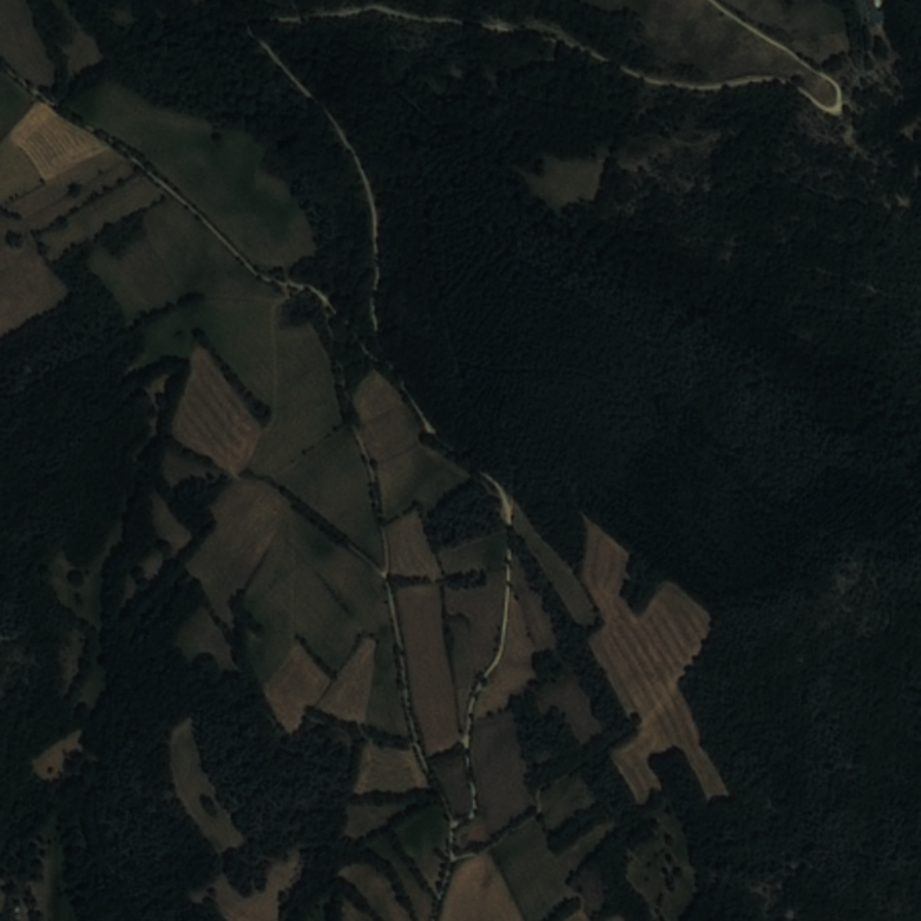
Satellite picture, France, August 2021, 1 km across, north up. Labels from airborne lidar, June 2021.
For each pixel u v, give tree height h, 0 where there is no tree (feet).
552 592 37
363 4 58
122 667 82
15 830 31
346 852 60
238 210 0
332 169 49
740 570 52
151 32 65
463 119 98
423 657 0
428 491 0
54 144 0
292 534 0
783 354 41
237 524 0
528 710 45
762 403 52
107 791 66
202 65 40
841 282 25
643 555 59
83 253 39
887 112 37
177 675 59
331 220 45
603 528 31
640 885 0
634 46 29
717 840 39
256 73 50
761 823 20
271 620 0
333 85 52
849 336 26
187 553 35
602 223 39
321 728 31
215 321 0
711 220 43
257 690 35
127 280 0
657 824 49
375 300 46
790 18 0
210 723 66
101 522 71
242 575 0
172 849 35
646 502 46
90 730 60
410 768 0
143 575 23
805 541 54
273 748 35
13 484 42
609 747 22
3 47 0
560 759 32
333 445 0
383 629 0
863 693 33
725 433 60
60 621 46
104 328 26
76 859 79
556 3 38
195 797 0
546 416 32
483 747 0
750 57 0
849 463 49
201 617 0
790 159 23
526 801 0
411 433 0
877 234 39
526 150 60
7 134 0
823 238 43
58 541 57
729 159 46
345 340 22
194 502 56
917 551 52
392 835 41
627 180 35
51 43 36
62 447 37
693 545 43
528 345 49
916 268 28
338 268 42
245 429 0
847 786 20
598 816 44
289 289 17
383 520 26
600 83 31
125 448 63
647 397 27
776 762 35
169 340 0
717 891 47
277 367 0
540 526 24
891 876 32
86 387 44
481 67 21
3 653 49
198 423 0
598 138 61
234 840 0
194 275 0
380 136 27
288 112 50
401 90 19
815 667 37
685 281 82
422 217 53
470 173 97
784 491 55
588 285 53
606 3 0
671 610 0
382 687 0
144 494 71
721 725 35
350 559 0
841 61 32
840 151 20
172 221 0
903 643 39
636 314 51
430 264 77
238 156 0
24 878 44
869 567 30
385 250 41
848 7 44
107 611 65
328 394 0
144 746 52
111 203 0
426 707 0
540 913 0
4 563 47
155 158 0
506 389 55
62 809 71
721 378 65
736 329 45
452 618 22
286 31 31
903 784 52
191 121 0
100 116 0
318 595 0
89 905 81
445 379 50
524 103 46
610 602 0
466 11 22
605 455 28
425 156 83
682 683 19
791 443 61
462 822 18
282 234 0
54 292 0
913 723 44
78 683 45
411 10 24
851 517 55
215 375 0
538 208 67
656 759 47
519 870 0
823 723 52
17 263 0
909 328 40
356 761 38
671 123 36
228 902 0
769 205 41
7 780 39
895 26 45
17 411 31
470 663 0
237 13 72
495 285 71
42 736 59
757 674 47
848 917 37
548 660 55
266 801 35
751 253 43
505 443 52
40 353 50
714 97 29
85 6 55
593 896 0
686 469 47
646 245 63
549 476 49
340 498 0
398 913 0
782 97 25
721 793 0
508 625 0
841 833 17
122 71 43
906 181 27
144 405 67
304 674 0
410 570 0
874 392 80
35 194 0
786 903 39
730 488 22
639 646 0
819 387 26
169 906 41
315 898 56
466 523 36
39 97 23
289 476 0
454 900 0
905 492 76
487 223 76
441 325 55
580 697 0
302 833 30
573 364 38
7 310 0
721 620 45
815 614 18
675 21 0
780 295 45
